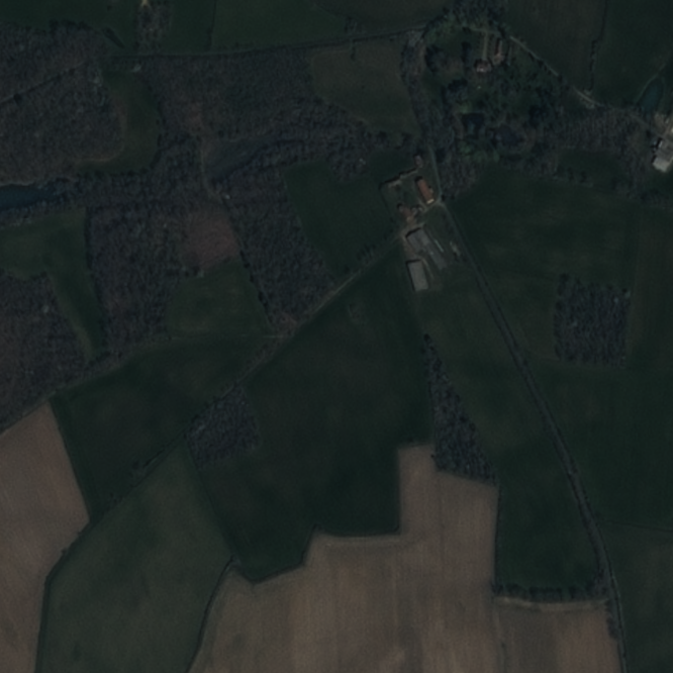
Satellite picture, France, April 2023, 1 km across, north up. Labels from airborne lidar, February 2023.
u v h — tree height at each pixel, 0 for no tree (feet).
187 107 42
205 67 36
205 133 41
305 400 0
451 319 0
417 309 0
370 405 0
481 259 0
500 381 0
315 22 0
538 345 0
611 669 0
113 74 0
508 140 0
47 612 0
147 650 0
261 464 0
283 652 0
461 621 0
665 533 0
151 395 0
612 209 0
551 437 29
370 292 0
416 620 0
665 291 0
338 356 0
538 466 0
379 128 0
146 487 0
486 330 0
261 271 29
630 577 0
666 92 0
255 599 0
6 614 0
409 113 0
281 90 61
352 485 0
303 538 0
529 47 0
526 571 0
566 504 0
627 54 0
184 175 68
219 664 0
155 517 0
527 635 0
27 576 0
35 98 52
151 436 0
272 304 40
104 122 68
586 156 0
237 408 28
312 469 0
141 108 0
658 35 0
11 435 0
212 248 0
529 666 0
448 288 0
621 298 27
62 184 33
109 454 0
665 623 0
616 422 0
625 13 0
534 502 0
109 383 0
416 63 86
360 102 0
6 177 79
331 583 0
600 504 0
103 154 28
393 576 0
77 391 0
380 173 0
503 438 0
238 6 0
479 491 0
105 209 24
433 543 0
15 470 0
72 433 0
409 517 0
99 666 0
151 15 29
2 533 0
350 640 0
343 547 0
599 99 0
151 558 0
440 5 0
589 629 0
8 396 27
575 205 0
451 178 41
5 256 0
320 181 0
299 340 0
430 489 0
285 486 0
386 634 0
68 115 49
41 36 40
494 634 0
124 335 80
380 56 0
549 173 82
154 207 32
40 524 0
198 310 0
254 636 0
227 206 49
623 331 58
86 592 0
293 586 0
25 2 0
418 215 37
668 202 51
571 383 0
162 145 35
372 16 0
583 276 0
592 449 0
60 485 0
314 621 0
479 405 0
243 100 44
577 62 0
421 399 0
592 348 56
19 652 0
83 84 33
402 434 0
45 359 34
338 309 0
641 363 0
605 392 0
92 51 74
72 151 58
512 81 26
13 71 29
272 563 0
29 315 43
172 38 0
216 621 0
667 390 0
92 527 0
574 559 0
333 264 0
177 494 0
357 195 0
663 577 0
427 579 0
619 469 0
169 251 47
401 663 0
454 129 118
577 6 0
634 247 0
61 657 0
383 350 0
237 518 0
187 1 0
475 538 0
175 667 0
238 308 0
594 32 0
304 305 25
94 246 79
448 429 37
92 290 0
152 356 0
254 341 0
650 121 53
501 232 0
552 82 0
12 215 55
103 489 0
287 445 0
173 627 0
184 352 0
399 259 0
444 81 0
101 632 0
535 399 25
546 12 0
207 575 0
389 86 0
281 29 0
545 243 0
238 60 45
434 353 41
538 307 0
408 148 66
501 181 0
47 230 0
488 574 0
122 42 0
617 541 0
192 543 0
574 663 0
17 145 59
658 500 0
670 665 0
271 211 71
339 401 0
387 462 0
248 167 39
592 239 0
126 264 58
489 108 45
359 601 0
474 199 0
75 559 0
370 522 0
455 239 28
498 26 97
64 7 0
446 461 49
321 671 0
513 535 0
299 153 35
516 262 0
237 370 0
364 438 0
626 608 0
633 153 115
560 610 0
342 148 17
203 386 0
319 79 0
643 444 0
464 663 0
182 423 0
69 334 73
